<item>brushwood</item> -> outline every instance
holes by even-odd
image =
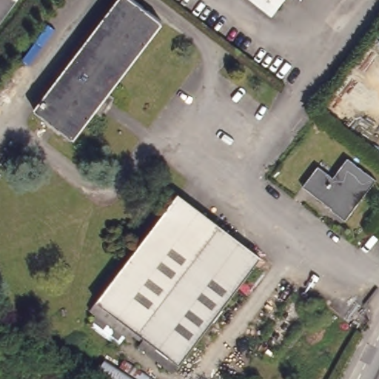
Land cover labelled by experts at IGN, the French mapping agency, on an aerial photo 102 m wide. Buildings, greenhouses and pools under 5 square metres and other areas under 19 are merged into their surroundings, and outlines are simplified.
[[[96,115],[83,135],[104,136],[107,115],[105,114]]]
[[[277,93],[284,92],[284,81],[275,76],[269,68],[265,68],[261,62],[256,62],[247,52],[246,43],[250,37],[244,36],[237,28],[229,28],[227,34],[216,31],[216,25],[221,24],[224,18],[216,10],[207,15],[207,19],[200,19],[181,0],[163,0],[191,22],[198,31],[206,34],[210,40],[224,49],[224,67],[227,73],[241,73],[244,68],[250,68],[252,76],[247,78],[246,89],[246,90],[255,89],[255,86],[266,83]]]
[[[286,317],[287,306],[298,301],[299,289],[283,278],[280,284],[284,290],[278,292],[274,306],[274,314],[280,318]]]
[[[246,355],[271,357],[272,352],[280,348],[283,341],[277,345],[271,343],[271,339],[277,338],[278,335],[274,329],[275,324],[271,318],[262,317],[261,324],[256,327],[256,330],[261,330],[258,336],[243,335],[235,341],[237,351]]]
[[[13,73],[24,67],[27,53],[6,41],[4,52],[0,53],[0,92],[12,80]]]
[[[73,343],[65,342],[65,339],[50,326],[47,318],[18,318],[15,315],[13,323],[3,323],[3,326],[0,326],[0,349],[10,369],[43,369],[44,375],[59,375],[62,379],[113,379],[102,369],[104,358],[102,355],[89,355]]]
[[[363,333],[357,335],[343,352],[330,379],[341,379],[343,372],[348,369],[348,361],[354,354],[355,346],[363,338]]]
[[[259,379],[261,375],[255,367],[246,367],[238,373],[229,373],[229,367],[222,369],[219,372],[222,379]]]
[[[61,256],[49,272],[37,272],[38,283],[43,289],[58,289],[65,286],[68,272],[65,269],[70,268],[70,262]]]
[[[358,227],[349,227],[345,222],[324,215],[317,207],[305,201],[302,201],[303,209],[323,221],[329,227],[332,237],[343,238],[355,249],[363,249],[370,237],[379,240],[379,195],[367,197],[366,198],[367,210],[361,218],[361,224]]]
[[[330,138],[346,147],[342,154],[351,158],[360,163],[360,166],[366,167],[370,164],[372,169],[379,173],[379,144],[364,138],[360,130],[349,127],[346,118],[339,118],[330,111],[329,104],[352,68],[357,67],[358,62],[363,59],[364,53],[373,44],[379,43],[379,18],[373,22],[372,30],[355,47],[352,58],[343,65],[339,73],[333,76],[326,87],[321,87],[309,98],[308,108],[305,110],[308,120],[289,148],[265,173],[265,179],[272,187],[286,192],[290,198],[296,195],[295,191],[277,181],[280,176],[278,170],[290,152],[308,138],[312,127],[318,126],[318,129],[324,130]]]

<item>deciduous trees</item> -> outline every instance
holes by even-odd
[[[13,323],[15,315],[15,305],[9,302],[9,296],[4,295],[0,277],[0,326],[3,326],[3,323]]]
[[[40,191],[44,185],[50,184],[50,176],[55,172],[44,160],[46,155],[40,145],[30,147],[30,133],[25,130],[6,130],[0,144],[0,172],[9,170],[9,189],[18,195]]]
[[[105,221],[105,227],[101,231],[102,247],[111,259],[121,258],[126,249],[132,250],[133,253],[172,201],[166,195],[160,194],[161,187],[173,184],[172,169],[167,161],[164,161],[157,170],[135,170],[124,182],[123,188],[117,192],[117,195],[123,200],[124,216],[121,219]]]
[[[170,49],[179,59],[191,58],[197,49],[192,38],[179,34],[173,37],[170,43]]]
[[[78,163],[76,166],[86,181],[98,182],[102,188],[114,188],[115,176],[120,172],[118,161],[108,164],[108,161],[102,160],[98,163]]]

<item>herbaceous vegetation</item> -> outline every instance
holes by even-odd
[[[262,102],[265,108],[271,107],[277,93],[266,83],[255,86],[255,89],[246,90],[247,95],[252,96],[255,101]]]
[[[27,53],[46,27],[52,27],[50,21],[55,18],[56,10],[64,6],[65,0],[0,0],[0,53],[4,52],[6,41]]]
[[[163,27],[150,46],[142,52],[141,58],[130,68],[129,74],[115,87],[114,105],[117,110],[135,118],[142,126],[150,127],[158,114],[169,104],[173,93],[197,67],[201,53],[197,49],[191,58],[179,59],[170,49],[170,43],[173,37],[179,34],[167,25]]]
[[[318,126],[312,127],[308,138],[290,152],[278,170],[280,176],[277,181],[295,191],[296,195],[302,187],[315,169],[321,169],[333,176],[343,161],[351,158],[342,154],[346,147],[330,138],[324,130],[318,129]]]
[[[73,161],[76,166],[78,163],[98,163],[102,160],[108,161],[108,164],[118,161],[120,172],[115,176],[114,188],[117,192],[123,188],[124,182],[135,170],[130,151],[141,145],[138,136],[107,115],[104,136],[83,135],[76,142],[68,142],[65,135],[61,135],[52,133],[47,138],[47,144]]]
[[[330,311],[323,296],[312,303],[296,303],[296,318],[293,320],[298,326],[293,327],[289,338],[283,336],[283,341],[280,348],[272,352],[271,357],[246,355],[246,367],[255,367],[261,375],[259,379],[330,379],[343,352],[357,335],[357,327],[342,330],[342,318],[333,320],[333,311]]]
[[[0,349],[0,379],[62,379],[59,375],[44,375],[43,369],[10,369]]]
[[[367,191],[367,197],[379,195],[379,173],[372,169],[370,164],[366,167],[360,166],[360,169],[375,179],[375,184]]]
[[[9,296],[9,302],[15,305],[15,315],[18,318],[47,318],[50,326],[65,339],[65,342],[73,343],[89,355],[102,355],[104,358],[108,355],[117,360],[118,355],[123,354],[117,343],[108,341],[93,330],[90,315],[92,306],[101,298],[102,293],[110,286],[115,275],[133,253],[132,250],[126,249],[121,258],[111,259],[102,247],[101,231],[105,227],[105,221],[121,219],[124,216],[123,200],[117,195],[111,206],[101,206],[55,172],[50,176],[50,184],[44,185],[40,191],[18,195],[9,189],[9,170],[0,172],[0,277],[4,295]],[[38,283],[37,272],[49,272],[61,256],[70,262],[70,268],[65,269],[68,272],[65,286],[58,289],[43,289]]]
[[[231,78],[235,86],[246,89],[247,78],[252,76],[250,68],[244,68],[241,73],[227,73],[224,67],[221,76]]]
[[[345,222],[349,227],[358,227],[361,224],[361,218],[367,210],[366,198],[354,207]]]

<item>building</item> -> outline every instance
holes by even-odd
[[[105,114],[114,105],[115,87],[129,74],[130,68],[141,58],[142,52],[150,46],[163,27],[157,18],[133,0],[115,0],[41,98],[41,104],[46,104],[44,120],[55,126],[61,135],[65,135],[68,142],[76,142],[83,135],[96,115]]]
[[[375,184],[375,179],[360,169],[360,166],[360,163],[351,158],[343,161],[333,176],[321,169],[315,169],[302,187],[311,192],[305,201],[317,207],[324,215],[345,222],[354,207],[366,198],[367,197],[367,191]]]
[[[284,0],[250,0],[269,16],[277,12]]]
[[[108,341],[117,343],[120,336],[133,341],[144,338],[139,349],[151,358],[158,372],[192,373],[194,369],[185,367],[179,361],[198,341],[207,326],[213,321],[218,321],[219,315],[224,314],[222,306],[234,295],[238,284],[256,264],[255,253],[238,243],[228,232],[213,224],[194,207],[189,206],[187,201],[176,197],[172,201],[133,253],[115,275],[110,286],[102,293],[101,298],[92,306],[90,315],[93,330]]]

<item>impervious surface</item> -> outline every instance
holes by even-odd
[[[277,93],[271,107],[265,108],[262,102],[255,101],[252,96],[247,95],[246,90],[246,89],[235,86],[231,78],[221,76],[224,67],[224,49],[210,40],[206,34],[198,31],[191,22],[163,0],[133,0],[157,18],[163,27],[167,25],[179,34],[192,38],[197,49],[201,53],[197,67],[173,93],[169,104],[158,114],[150,127],[142,126],[135,118],[117,110],[114,105],[105,114],[107,115],[138,136],[141,145],[130,151],[135,170],[157,170],[164,161],[167,161],[172,169],[173,184],[161,187],[160,194],[166,195],[172,201],[176,197],[187,201],[189,206],[194,207],[213,224],[228,232],[238,243],[255,253],[256,264],[238,284],[234,295],[222,306],[224,314],[219,315],[218,321],[213,321],[207,326],[198,341],[179,361],[185,367],[194,369],[192,373],[158,372],[151,358],[139,349],[144,338],[133,341],[120,336],[117,343],[123,354],[118,355],[117,360],[108,355],[104,358],[102,369],[113,379],[222,379],[219,372],[222,369],[229,367],[229,373],[238,373],[246,367],[246,355],[237,351],[235,341],[243,335],[258,336],[261,330],[256,330],[256,327],[261,324],[262,317],[271,318],[275,324],[274,329],[278,335],[277,338],[271,339],[271,343],[277,345],[283,341],[283,336],[289,338],[293,327],[298,326],[293,320],[296,318],[296,303],[312,303],[323,296],[330,311],[333,311],[333,320],[342,318],[342,330],[357,327],[357,335],[363,333],[363,338],[355,346],[354,354],[348,361],[348,369],[343,372],[341,379],[379,379],[379,240],[370,237],[363,249],[355,249],[343,238],[332,237],[329,227],[323,221],[303,209],[302,201],[305,201],[311,192],[302,187],[296,195],[290,198],[286,192],[272,187],[265,179],[265,173],[289,148],[308,120],[305,110],[308,108],[309,98],[321,87],[326,87],[333,76],[339,73],[343,65],[352,58],[355,47],[372,30],[373,22],[379,18],[379,0],[284,0],[277,12],[269,16],[250,0],[181,0],[200,19],[207,19],[207,15],[216,10],[224,18],[221,24],[216,25],[216,31],[227,34],[229,28],[237,28],[244,36],[250,37],[246,43],[247,52],[256,62],[261,62],[265,68],[269,68],[275,76],[284,81],[284,92]],[[298,301],[287,306],[286,317],[280,318],[274,314],[274,306],[278,292],[284,290],[280,284],[283,278],[299,289]]]
[[[329,104],[330,111],[339,118],[346,118],[349,127],[360,130],[364,138],[379,144],[379,43],[373,44],[364,53],[363,59],[358,62],[357,67],[352,68]]]
[[[0,144],[6,130],[25,130],[30,133],[30,147],[40,145],[46,155],[44,160],[55,172],[101,206],[111,206],[117,195],[117,192],[114,188],[102,188],[98,182],[86,181],[76,166],[73,161],[47,144],[47,138],[52,133],[61,135],[55,126],[44,120],[46,104],[41,104],[41,98],[115,0],[65,0],[64,6],[56,10],[55,18],[50,21],[52,27],[46,27],[27,53],[24,67],[13,73],[12,80],[0,92]]]

